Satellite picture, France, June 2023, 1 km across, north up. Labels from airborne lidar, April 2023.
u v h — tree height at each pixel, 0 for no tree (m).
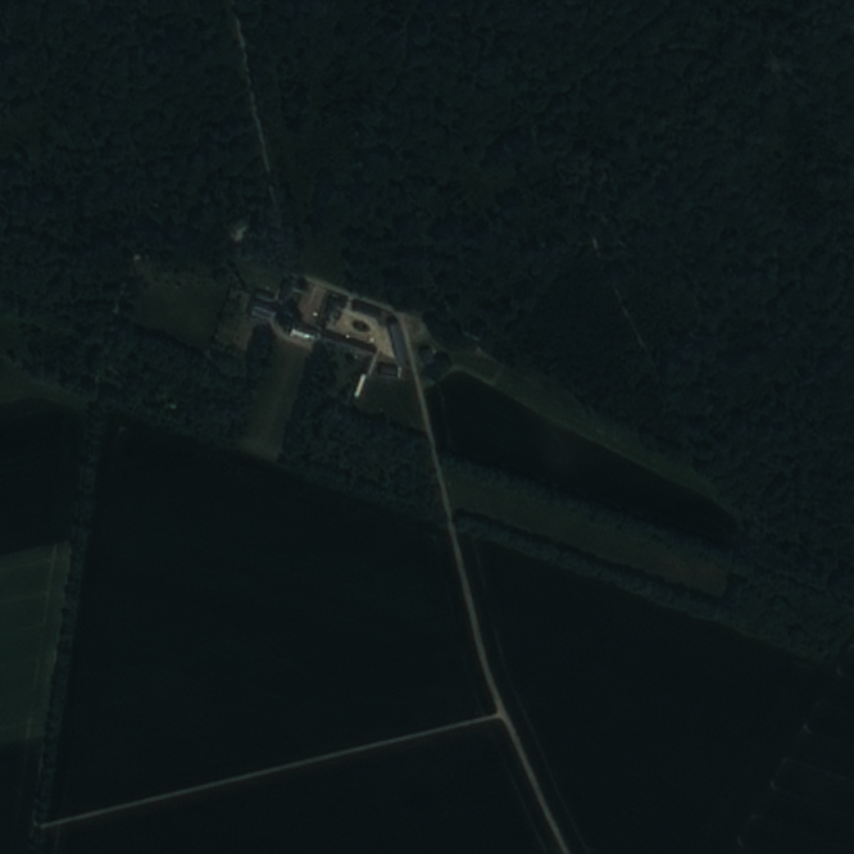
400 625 0
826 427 24
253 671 0
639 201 26
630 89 22
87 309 25
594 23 28
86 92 28
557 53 27
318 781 0
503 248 26
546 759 0
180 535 0
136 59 28
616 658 0
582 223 22
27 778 0
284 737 0
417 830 0
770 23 20
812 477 25
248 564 0
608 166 12
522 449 0
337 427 28
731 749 0
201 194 24
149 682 0
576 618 0
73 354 23
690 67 26
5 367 0
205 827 0
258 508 0
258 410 0
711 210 21
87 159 20
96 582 0
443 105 33
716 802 0
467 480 0
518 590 0
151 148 23
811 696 0
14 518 0
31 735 0
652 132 9
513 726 0
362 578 0
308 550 0
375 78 31
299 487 0
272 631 0
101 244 24
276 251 29
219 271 11
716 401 27
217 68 26
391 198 30
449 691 0
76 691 0
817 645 19
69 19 26
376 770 0
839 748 0
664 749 0
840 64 21
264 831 0
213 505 0
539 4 24
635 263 26
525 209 24
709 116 19
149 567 0
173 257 20
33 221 22
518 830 0
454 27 26
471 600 0
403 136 30
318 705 0
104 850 0
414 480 21
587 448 0
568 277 15
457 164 26
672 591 21
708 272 26
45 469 0
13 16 27
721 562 17
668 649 0
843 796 0
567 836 0
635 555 0
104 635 0
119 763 0
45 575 0
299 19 28
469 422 0
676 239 24
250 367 22
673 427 18
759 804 0
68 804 0
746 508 20
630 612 0
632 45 21
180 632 0
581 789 0
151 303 0
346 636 0
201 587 0
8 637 0
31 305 26
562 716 0
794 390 27
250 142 28
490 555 0
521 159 25
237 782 0
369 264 23
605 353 14
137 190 25
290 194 27
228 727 0
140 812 0
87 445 8
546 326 14
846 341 28
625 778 0
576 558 19
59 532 0
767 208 26
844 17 23
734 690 0
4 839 0
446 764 0
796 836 0
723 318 12
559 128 27
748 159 20
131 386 25
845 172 18
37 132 0
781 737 0
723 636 0
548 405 0
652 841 0
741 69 22
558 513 0
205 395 28
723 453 24
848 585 17
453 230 27
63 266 20
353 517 0
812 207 7
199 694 0
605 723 0
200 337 0
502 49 27
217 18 28
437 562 0
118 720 0
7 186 5
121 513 0
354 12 28
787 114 6
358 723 0
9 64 23
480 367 0
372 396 0
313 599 0
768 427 23
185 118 25
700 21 25
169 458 0
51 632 0
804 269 26
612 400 11
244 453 0
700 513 0
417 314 0
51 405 0
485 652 0
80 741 0
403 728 0
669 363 22
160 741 0
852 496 24
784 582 29
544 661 0
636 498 0
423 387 0
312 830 0
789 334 27
